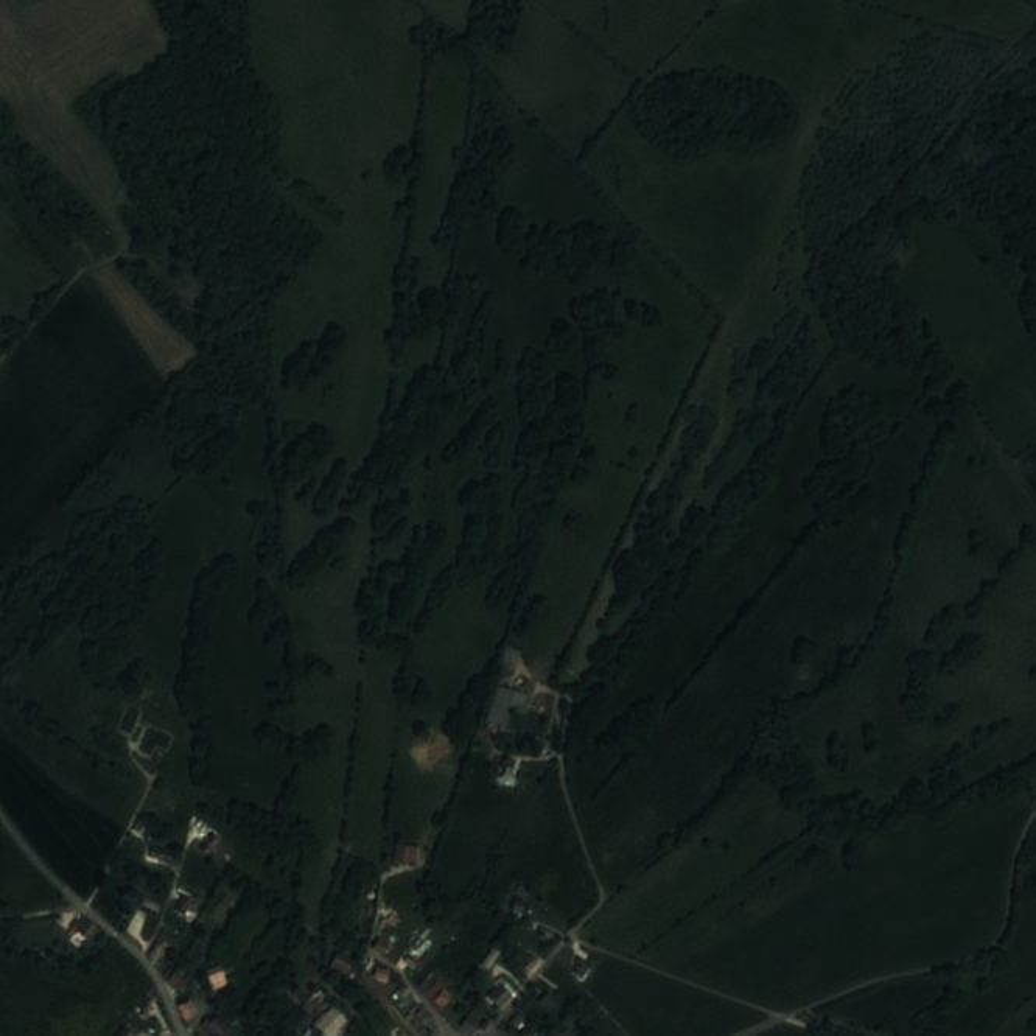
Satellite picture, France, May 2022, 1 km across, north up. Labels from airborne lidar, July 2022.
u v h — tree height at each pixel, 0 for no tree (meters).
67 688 0
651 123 12
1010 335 0
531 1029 6
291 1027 15
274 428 12
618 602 13
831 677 7
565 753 7
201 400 10
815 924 0
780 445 12
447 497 0
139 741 0
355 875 11
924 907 0
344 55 0
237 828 7
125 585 21
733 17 0
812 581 0
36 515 0
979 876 0
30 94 0
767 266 0
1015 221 26
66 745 12
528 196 0
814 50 0
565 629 0
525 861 0
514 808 0
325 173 0
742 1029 0
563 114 0
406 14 0
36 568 14
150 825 16
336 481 8
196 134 15
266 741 15
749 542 0
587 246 16
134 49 0
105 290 0
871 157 9
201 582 13
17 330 18
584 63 0
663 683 0
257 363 11
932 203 12
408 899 0
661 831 0
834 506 19
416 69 0
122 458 6
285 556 8
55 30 0
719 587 0
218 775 0
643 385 0
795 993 0
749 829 0
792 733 18
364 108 0
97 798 0
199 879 0
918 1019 5
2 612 8
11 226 0
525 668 0
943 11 0
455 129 0
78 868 0
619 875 0
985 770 0
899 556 9
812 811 13
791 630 0
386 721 0
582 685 10
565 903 0
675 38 0
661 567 15
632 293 0
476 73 6
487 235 0
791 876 0
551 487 10
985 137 11
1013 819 0
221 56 18
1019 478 0
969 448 0
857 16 0
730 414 0
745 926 0
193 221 17
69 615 21
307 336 0
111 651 25
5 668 9
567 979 0
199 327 18
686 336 0
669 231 0
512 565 14
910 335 20
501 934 9
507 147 14
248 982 0
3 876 0
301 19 0
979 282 0
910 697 12
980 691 0
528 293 0
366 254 0
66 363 0
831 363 7
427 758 0
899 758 0
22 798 0
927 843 0
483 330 9
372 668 0
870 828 15
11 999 0
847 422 27
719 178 0
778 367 11
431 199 0
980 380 0
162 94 17
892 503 0
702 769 0
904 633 0
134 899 0
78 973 13
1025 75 12
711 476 9
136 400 0
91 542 22
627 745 18
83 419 0
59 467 0
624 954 0
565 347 15
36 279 0
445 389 15
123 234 0
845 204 6
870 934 0
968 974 12
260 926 0
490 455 7
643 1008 0
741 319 0
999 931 0
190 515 0
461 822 0
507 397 0
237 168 15
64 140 0
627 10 0
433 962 0
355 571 0
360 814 0
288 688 6
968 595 0
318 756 12
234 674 0
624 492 0
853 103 6
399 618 14
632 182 0
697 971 0
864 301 19
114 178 0
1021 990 0
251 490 0
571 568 0
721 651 10
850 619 0
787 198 0
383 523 17
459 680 0
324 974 10
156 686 0
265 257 13
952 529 0
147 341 0
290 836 9
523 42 0
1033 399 0
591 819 0
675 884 0
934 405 14
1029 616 0
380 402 0
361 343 0
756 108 20
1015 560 10
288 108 0
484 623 0
